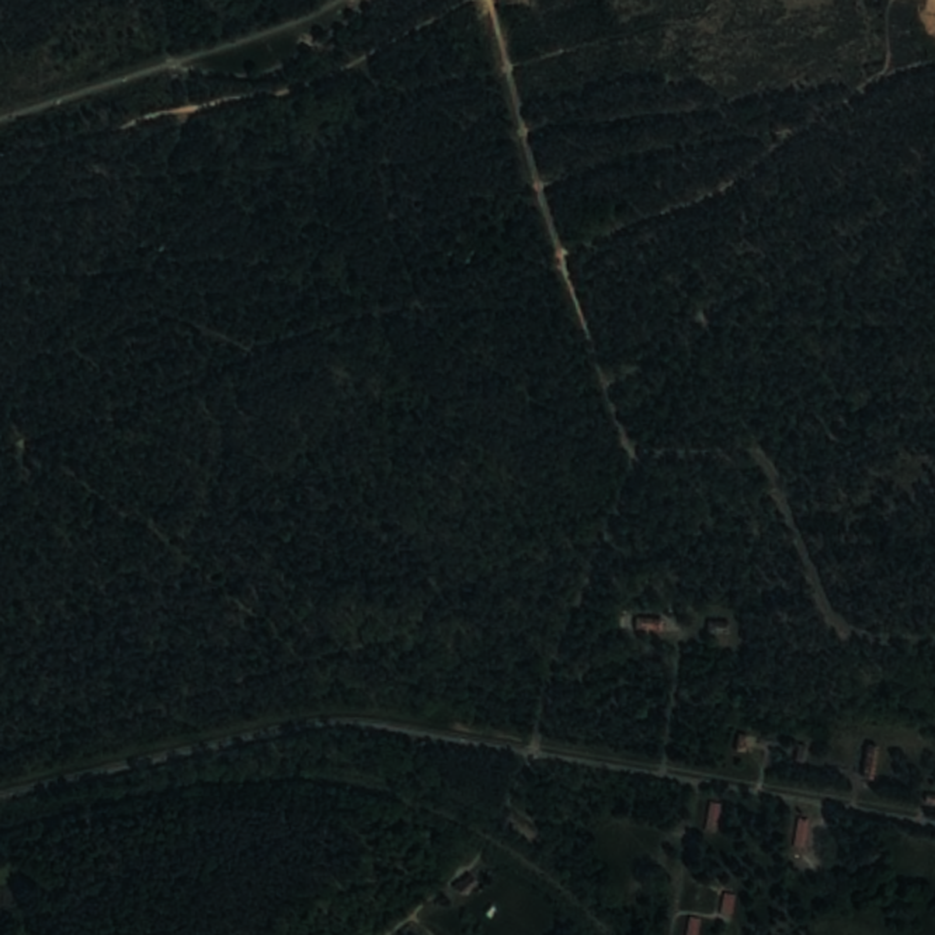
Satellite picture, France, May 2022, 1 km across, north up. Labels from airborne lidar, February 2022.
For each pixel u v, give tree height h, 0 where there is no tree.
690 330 18
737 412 17
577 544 18
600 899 20
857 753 0
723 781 0
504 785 21
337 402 22
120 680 30
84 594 27
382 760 31
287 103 7
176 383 21
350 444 25
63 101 0
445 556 25
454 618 20
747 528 22
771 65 0
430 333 18
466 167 18
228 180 7
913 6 0
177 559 14
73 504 27
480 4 0
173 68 0
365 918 24
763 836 27
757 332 20
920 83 15
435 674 29
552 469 26
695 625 0
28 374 21
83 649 28
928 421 22
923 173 13
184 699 22
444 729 0
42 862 25
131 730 20
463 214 16
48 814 7
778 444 7
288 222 9
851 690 29
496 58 0
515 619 22
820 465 16
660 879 29
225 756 22
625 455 11
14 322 18
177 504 27
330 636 18
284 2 20
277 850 23
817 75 0
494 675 26
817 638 24
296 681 25
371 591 28
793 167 17
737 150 16
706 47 0
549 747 0
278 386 27
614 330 21
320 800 25
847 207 15
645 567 26
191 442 29
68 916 27
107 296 22
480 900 0
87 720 24
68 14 16
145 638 23
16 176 15
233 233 22
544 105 17
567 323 23
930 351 23
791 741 22
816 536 24
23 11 17
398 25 17
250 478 23
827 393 26
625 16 0
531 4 0
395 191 9
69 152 20
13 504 25
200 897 24
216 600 27
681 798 28
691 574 21
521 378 19
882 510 23
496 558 27
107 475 25
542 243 18
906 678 31
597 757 0
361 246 16
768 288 15
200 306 20
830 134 15
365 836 20
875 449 22
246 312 19
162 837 27
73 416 16
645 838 0
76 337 13
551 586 27
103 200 13
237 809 21
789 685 20
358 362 23
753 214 18
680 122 11
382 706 15
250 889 24
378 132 19
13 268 16
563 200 16
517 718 19
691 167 17
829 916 14
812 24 0
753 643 24
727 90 0
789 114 13
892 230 19
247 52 0
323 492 29
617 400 23
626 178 20
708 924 0
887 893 13
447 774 22
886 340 28
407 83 18
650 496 29
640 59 0
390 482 20
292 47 0
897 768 15
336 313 22
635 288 22
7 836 17
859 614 22
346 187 18
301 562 26
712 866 27
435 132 22
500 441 27
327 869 23
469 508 21
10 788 0
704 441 16
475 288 20
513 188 14
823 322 23
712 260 21
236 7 6
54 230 16
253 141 21
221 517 23
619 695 20
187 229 20
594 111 15
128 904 26
